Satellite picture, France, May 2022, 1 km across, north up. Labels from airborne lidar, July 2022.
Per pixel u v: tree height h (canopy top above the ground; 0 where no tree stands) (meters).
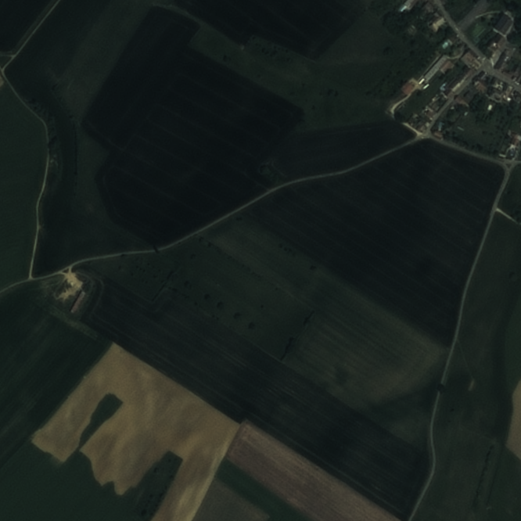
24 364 0
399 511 0
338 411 0
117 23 0
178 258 0
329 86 0
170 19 0
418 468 0
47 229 0
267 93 0
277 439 0
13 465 0
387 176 0
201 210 0
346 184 0
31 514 0
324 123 0
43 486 0
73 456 0
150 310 0
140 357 0
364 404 0
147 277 0
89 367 0
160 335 0
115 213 0
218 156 0
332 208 0
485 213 0
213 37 0
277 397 0
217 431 0
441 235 0
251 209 0
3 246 0
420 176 0
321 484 0
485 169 0
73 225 0
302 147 0
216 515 0
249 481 0
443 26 0
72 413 0
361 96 0
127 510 0
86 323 0
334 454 0
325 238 0
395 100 0
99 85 0
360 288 0
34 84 0
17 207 0
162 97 0
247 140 0
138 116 0
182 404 0
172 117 0
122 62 0
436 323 0
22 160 0
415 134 0
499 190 0
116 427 0
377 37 0
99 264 0
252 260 0
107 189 0
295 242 0
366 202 0
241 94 0
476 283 0
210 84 0
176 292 13
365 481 0
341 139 0
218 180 0
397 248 0
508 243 0
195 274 0
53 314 0
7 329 0
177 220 0
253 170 0
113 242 0
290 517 0
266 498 0
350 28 0
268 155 0
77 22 0
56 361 0
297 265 0
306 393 0
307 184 0
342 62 0
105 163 0
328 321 0
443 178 0
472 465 0
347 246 0
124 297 0
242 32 0
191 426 0
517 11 23
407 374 0
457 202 0
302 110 0
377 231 0
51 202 0
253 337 0
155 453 0
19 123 0
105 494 0
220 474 0
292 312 0
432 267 0
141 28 0
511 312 0
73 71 0
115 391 0
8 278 0
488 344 0
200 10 0
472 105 14
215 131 0
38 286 0
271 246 0
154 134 0
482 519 0
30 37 0
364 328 0
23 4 0
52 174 0
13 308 0
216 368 0
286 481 0
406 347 0
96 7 0
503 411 0
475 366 0
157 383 0
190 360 0
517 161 0
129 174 0
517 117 7
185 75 0
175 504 0
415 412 0
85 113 0
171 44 0
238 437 0
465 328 0
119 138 0
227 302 0
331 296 0
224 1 0
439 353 0
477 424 0
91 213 0
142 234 0
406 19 13
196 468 0
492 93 0
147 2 0
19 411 0
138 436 0
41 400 0
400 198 0
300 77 0
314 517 0
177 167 0
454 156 0
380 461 0
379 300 0
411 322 0
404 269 0
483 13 0
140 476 0
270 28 0
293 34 0
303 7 0
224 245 0
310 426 0
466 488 0
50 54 0
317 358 0
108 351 0
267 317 0
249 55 0
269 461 0
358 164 0
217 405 0
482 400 0
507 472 0
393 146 0
